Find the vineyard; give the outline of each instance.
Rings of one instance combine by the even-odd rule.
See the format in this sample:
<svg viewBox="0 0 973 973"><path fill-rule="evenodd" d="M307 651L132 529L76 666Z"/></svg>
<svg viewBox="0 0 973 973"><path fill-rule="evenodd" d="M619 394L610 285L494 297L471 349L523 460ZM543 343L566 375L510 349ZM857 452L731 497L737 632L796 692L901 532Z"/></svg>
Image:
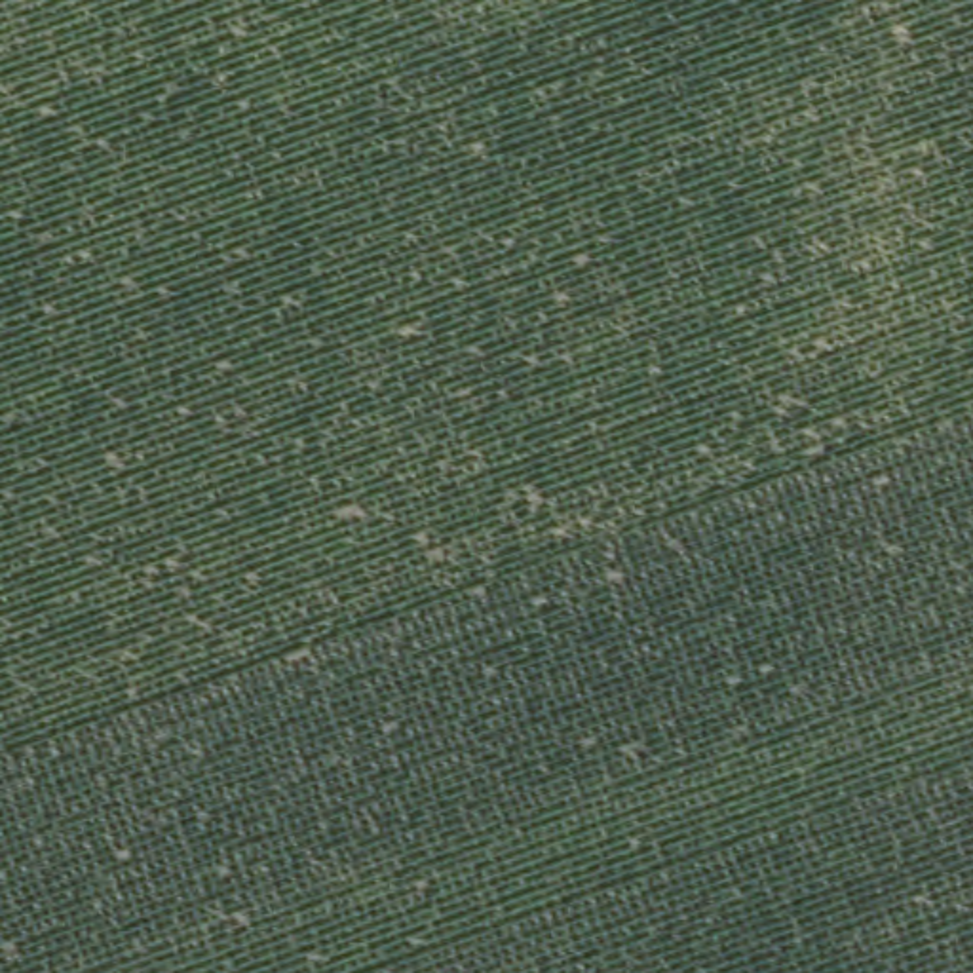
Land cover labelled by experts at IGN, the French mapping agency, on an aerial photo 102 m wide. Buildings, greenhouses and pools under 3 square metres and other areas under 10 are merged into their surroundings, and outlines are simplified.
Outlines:
<svg viewBox="0 0 973 973"><path fill-rule="evenodd" d="M0 0L0 973L973 973L973 0Z"/></svg>

